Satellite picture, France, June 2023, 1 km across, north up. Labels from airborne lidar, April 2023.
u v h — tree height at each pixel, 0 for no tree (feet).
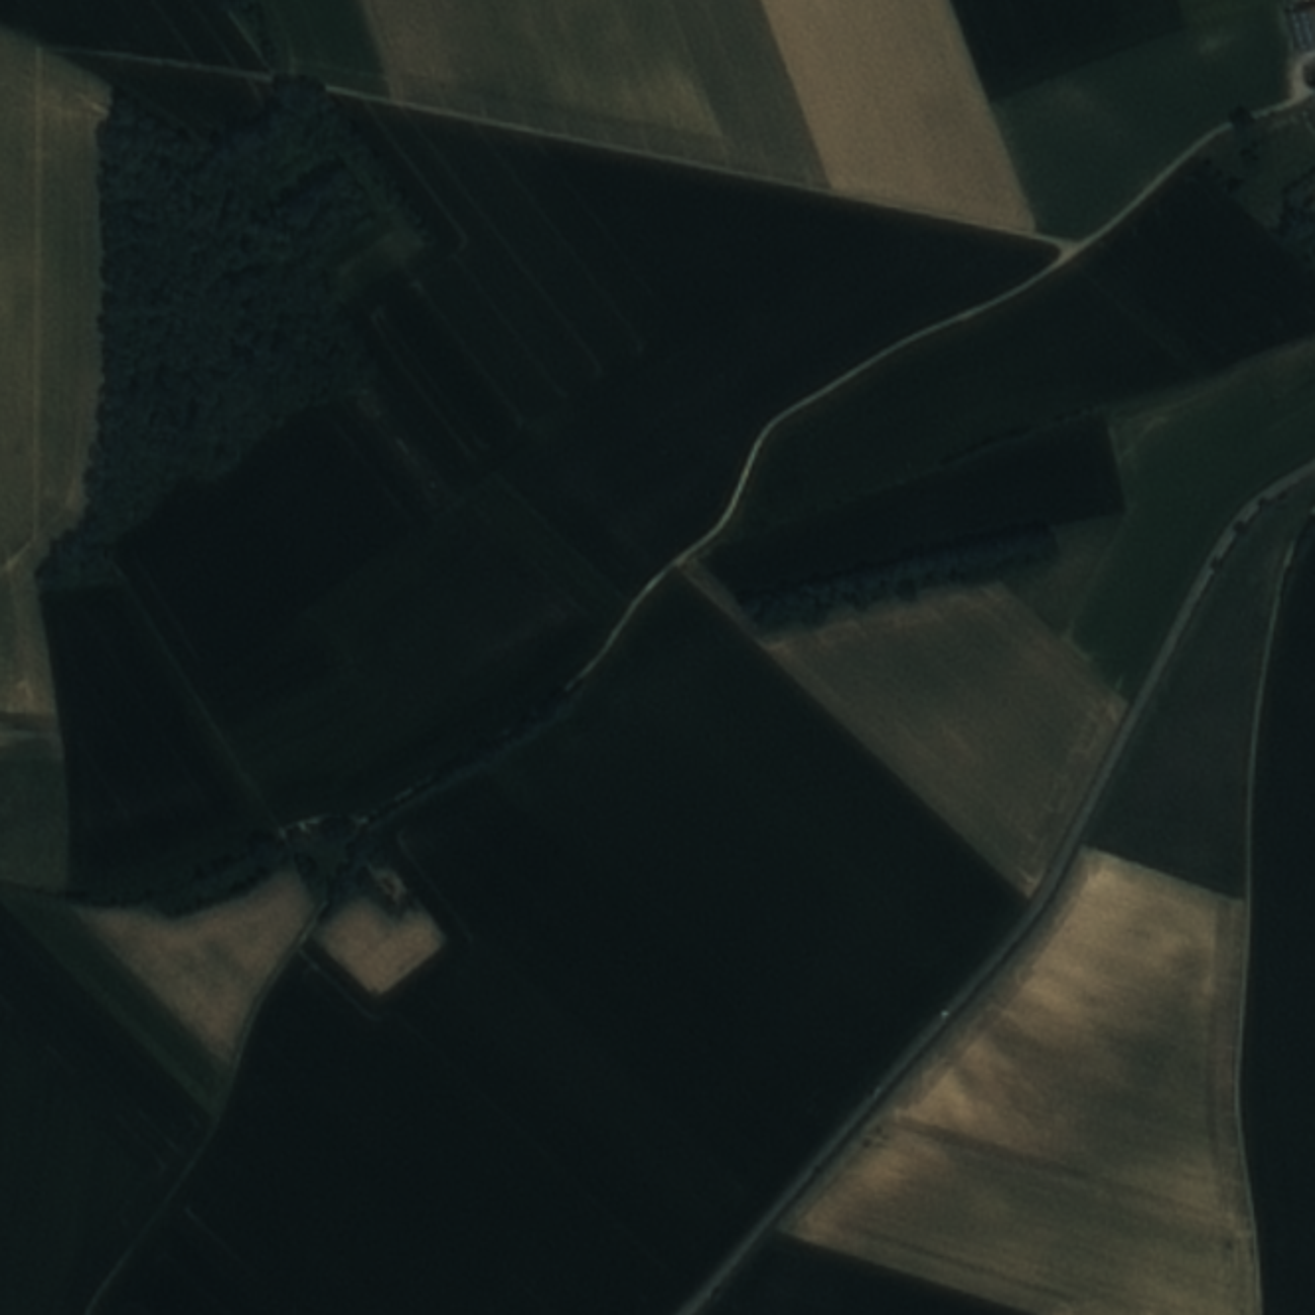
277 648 0
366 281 0
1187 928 0
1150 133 0
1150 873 0
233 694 0
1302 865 0
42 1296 0
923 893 0
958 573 40
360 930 0
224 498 0
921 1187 0
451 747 0
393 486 0
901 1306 0
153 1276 0
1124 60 0
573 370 0
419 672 0
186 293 70
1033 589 0
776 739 0
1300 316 0
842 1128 0
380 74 0
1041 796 0
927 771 0
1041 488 0
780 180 0
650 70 0
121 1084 0
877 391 0
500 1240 0
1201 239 0
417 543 0
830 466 0
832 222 0
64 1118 0
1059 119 0
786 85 0
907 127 0
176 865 0
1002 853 0
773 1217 0
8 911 0
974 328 0
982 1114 0
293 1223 0
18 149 0
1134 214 0
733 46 0
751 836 0
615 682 0
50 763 0
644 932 0
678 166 0
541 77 0
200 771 0
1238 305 0
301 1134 0
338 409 0
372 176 49
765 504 0
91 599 0
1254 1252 0
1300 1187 0
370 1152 0
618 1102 0
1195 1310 0
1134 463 0
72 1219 0
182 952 0
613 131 0
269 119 52
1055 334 0
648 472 0
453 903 0
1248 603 0
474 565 0
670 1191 0
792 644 0
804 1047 0
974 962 0
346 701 0
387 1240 0
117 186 46
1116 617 0
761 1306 0
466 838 0
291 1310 0
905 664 0
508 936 0
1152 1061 0
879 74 0
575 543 0
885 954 0
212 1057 0
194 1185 0
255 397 64
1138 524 0
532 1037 0
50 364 0
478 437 0
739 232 0
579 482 0
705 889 0
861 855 0
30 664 0
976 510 0
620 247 0
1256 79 0
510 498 0
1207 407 0
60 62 0
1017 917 0
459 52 0
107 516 61
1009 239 0
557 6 0
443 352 0
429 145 0
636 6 0
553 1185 0
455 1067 0
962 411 0
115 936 0
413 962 0
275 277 68
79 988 0
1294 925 0
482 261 0
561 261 0
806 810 0
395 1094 0
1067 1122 0
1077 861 0
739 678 0
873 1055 0
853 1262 0
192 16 0
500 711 0
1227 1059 0
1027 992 0
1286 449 0
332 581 0
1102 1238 0
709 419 0
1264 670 0
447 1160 0
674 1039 0
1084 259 0
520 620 0
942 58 0
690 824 0
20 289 0
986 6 0
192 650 0
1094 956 0
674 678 0
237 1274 0
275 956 0
